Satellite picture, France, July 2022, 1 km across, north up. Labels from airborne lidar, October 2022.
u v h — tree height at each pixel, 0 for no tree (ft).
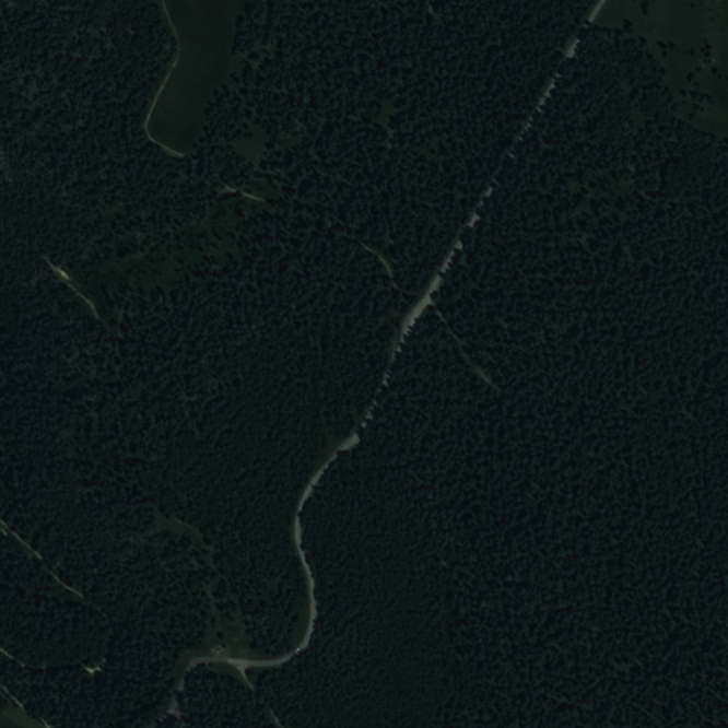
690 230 95
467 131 62
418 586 31
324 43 118
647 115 21
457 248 0
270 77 48
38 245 59
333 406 43
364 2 96
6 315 95
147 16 68
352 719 31
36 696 93
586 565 55
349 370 38
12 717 0
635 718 72
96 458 28
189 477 22
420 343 81
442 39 80
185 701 98
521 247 51
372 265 110
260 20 99
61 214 55
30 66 51
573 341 96
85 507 68
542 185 57
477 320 87
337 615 44
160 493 34
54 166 48
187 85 0
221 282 75
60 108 38
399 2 30
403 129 101
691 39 0
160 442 34
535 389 36
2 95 64
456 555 73
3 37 48
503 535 58
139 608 64
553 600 37
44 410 81
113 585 100
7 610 97
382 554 53
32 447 95
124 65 65
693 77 42
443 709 67
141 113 74
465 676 69
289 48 105
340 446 0
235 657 0
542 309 25
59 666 77
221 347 93
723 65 0
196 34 0
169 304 55
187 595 41
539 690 72
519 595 95
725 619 96
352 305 109
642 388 35
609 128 76
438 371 80
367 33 34
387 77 115
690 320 95
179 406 62
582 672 79
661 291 81
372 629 42
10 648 43
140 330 103
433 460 32
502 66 70
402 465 90
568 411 114
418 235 22
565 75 91
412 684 32
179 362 64
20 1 42
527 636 44
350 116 79
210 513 42
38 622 119
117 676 64
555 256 75
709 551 52
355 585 62
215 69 0
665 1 0
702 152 88
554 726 97
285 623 54
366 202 105
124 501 93
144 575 26
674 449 109
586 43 74
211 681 85
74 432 32
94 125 66
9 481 72
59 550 56
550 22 91
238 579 55
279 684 48
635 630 70
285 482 62
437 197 99
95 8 79
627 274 79
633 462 81
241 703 79
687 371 111
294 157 83
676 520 102
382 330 25
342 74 60
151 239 56
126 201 69
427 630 28
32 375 48
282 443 59
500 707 84
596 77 72
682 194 90
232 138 46
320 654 24
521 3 89
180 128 0
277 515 47
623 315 85
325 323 39
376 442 64
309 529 47
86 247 56
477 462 99
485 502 90
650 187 74
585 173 73
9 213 52
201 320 49
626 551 60
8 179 32
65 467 91
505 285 80
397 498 64
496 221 74
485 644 79
